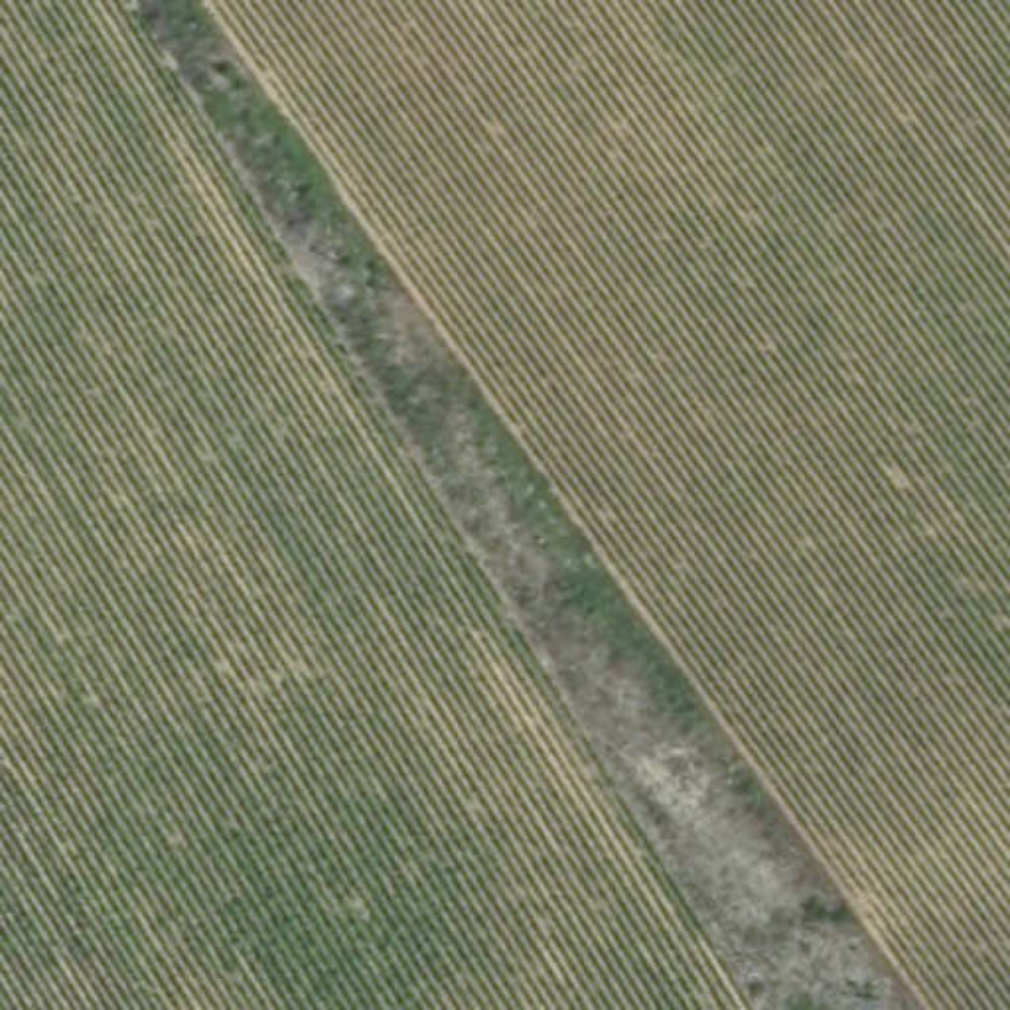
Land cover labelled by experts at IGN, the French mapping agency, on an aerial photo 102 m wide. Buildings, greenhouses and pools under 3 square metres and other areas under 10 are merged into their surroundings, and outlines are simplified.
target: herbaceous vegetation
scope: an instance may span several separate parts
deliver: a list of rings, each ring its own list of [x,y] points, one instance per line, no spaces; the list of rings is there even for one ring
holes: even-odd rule
[[[379,375],[395,414],[406,418],[414,442],[426,454],[426,466],[442,477],[442,489],[434,489],[434,497],[442,501],[454,525],[469,521],[469,537],[485,544],[485,564],[493,580],[501,580],[513,592],[517,608],[533,623],[533,643],[541,647],[537,663],[552,675],[541,686],[541,698],[556,714],[568,746],[596,769],[596,785],[615,805],[619,825],[635,817],[647,829],[663,856],[663,868],[679,880],[679,888],[686,880],[710,880],[714,907],[702,915],[702,927],[718,939],[726,967],[738,974],[742,986],[761,982],[761,994],[754,998],[758,1010],[896,1010],[892,982],[868,971],[872,959],[880,959],[880,947],[856,919],[856,911],[840,900],[836,884],[813,860],[805,840],[785,825],[777,805],[754,781],[754,773],[746,769],[730,785],[698,765],[679,777],[667,769],[671,758],[686,758],[694,750],[683,738],[706,718],[694,690],[671,667],[663,647],[647,635],[647,627],[635,619],[623,592],[600,568],[588,541],[576,533],[560,501],[552,497],[548,481],[529,466],[513,434],[497,422],[497,414],[469,383],[469,375],[442,347],[430,320],[418,316],[414,300],[383,264],[367,233],[339,205],[324,166],[284,122],[284,114],[292,110],[292,95],[280,87],[280,75],[260,71],[256,79],[249,79],[233,63],[229,43],[205,12],[205,0],[134,0],[142,8],[138,32],[162,51],[170,47],[178,55],[178,75],[189,87],[197,87],[209,118],[229,134],[245,166],[256,174],[268,213],[284,221],[284,233],[276,241],[284,245],[292,272],[312,288],[312,300],[331,308],[331,316],[347,327],[355,351]]]

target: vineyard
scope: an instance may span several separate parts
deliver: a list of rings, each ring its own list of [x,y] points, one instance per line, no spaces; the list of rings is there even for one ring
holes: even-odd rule
[[[414,300],[418,316],[430,320],[442,347],[469,375],[469,383],[497,414],[497,422],[513,434],[529,466],[548,481],[552,497],[560,501],[576,533],[588,541],[600,568],[623,592],[635,619],[647,627],[647,635],[663,647],[671,667],[694,690],[706,718],[683,738],[694,750],[686,758],[671,758],[667,769],[679,777],[698,765],[730,785],[746,769],[754,773],[754,781],[777,805],[785,825],[805,840],[813,860],[836,884],[840,900],[856,911],[856,919],[880,947],[880,959],[872,959],[868,971],[892,982],[896,1010],[1010,1010],[1010,0],[205,0],[205,12],[229,43],[233,63],[249,79],[256,79],[260,71],[280,75],[280,87],[292,95],[292,110],[284,114],[284,122],[324,166],[339,205],[367,233],[383,264]]]
[[[426,466],[426,454],[414,442],[406,418],[395,414],[379,375],[355,351],[347,327],[331,316],[331,308],[312,300],[312,288],[292,272],[284,245],[276,241],[284,233],[284,221],[268,213],[256,174],[245,166],[229,134],[209,118],[197,87],[189,87],[178,75],[178,55],[170,47],[162,51],[138,32],[142,8],[134,0],[0,0],[0,1010],[758,1010],[754,998],[761,994],[761,982],[742,986],[738,974],[726,967],[718,939],[702,927],[702,915],[714,907],[710,880],[686,880],[679,888],[679,880],[663,868],[663,856],[647,829],[635,817],[619,825],[615,805],[596,785],[596,769],[568,746],[556,714],[541,698],[541,686],[552,675],[537,663],[541,647],[533,643],[533,623],[517,608],[513,592],[501,580],[493,580],[485,564],[485,544],[469,537],[469,521],[454,525],[442,501],[434,497],[434,489],[442,489],[442,477]]]

